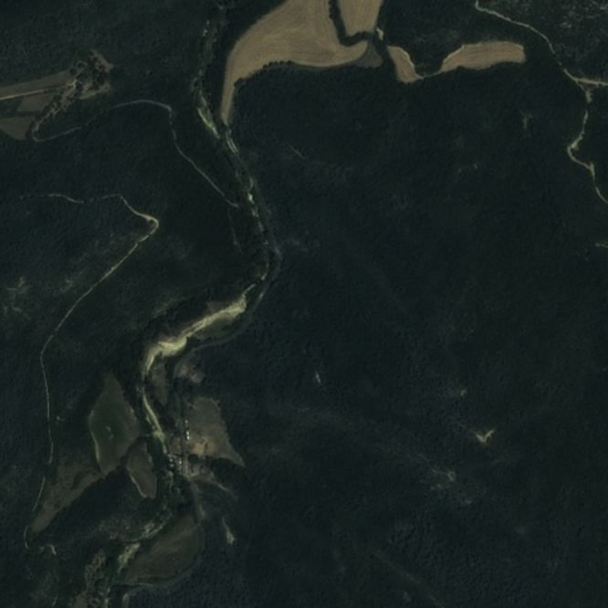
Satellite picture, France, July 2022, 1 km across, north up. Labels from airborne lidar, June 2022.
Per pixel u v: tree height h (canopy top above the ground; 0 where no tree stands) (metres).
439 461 6
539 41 8
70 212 10
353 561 6
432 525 14
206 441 0
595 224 6
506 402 7
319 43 0
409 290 6
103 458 0
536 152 11
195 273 6
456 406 8
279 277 6
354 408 7
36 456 6
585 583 8
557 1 7
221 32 10
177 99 8
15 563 10
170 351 0
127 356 13
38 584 7
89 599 8
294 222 13
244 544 9
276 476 9
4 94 0
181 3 6
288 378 8
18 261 10
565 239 9
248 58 0
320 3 0
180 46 9
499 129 8
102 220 8
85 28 10
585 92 8
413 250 8
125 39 8
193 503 7
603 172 8
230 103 0
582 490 9
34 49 9
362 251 6
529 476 7
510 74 9
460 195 8
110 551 8
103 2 8
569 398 11
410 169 7
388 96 8
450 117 9
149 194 6
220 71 11
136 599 9
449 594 6
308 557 5
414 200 8
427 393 7
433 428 6
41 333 8
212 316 0
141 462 0
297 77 6
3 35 8
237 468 9
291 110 6
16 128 0
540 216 11
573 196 10
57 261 11
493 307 6
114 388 0
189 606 7
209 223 11
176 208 7
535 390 6
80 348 8
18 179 8
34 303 8
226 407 7
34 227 7
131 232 7
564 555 10
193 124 9
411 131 6
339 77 8
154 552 0
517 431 7
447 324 6
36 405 7
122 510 6
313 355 12
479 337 5
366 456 6
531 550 6
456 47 5
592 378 11
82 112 6
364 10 0
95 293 8
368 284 6
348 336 8
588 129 8
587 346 6
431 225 6
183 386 13
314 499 9
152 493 0
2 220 6
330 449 8
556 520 10
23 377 12
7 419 11
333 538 8
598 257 7
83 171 8
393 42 10
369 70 10
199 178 11
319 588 6
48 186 8
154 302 12
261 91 9
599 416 13
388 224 7
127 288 10
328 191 5
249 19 8
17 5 7
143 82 8
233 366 7
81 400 9
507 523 7
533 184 13
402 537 12
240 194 8
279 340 8
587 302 7
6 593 9
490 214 9
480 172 6
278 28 0
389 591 10
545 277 10
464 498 7
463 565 11
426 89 8
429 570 6
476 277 6
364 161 7
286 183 7
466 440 8
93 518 7
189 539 0
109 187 9
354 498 10
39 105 0
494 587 7
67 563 6
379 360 6
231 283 11
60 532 9
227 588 8
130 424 0
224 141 11
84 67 7
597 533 9
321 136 6
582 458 7
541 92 7
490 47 0
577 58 15
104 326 9
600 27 7
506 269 7
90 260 8
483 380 12
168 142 7
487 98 6
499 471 9
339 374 6
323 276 9
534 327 9
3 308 7
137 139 6
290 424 6
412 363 14
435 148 7
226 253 7
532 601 9
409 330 9
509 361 6
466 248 6
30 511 7
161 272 7
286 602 8
